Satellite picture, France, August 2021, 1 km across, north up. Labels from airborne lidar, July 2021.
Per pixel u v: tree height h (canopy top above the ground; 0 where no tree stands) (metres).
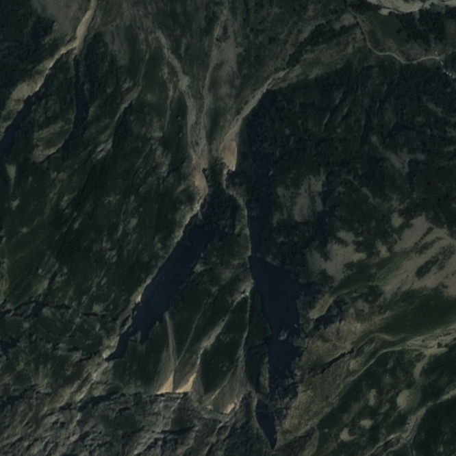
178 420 0
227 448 0
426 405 0
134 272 0
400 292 0
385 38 0
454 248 0
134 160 0
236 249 0
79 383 0
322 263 0
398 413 0
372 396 0
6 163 0
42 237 0
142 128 0
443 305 0
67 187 0
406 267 0
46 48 6
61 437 0
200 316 0
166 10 0
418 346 0
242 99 0
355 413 0
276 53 0
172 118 0
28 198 0
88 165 0
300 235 0
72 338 0
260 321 0
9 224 0
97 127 0
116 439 0
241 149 0
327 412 0
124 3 0
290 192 0
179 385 0
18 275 0
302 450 0
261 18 0
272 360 0
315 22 0
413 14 13
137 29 0
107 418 0
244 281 0
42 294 0
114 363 0
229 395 0
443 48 0
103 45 7
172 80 0
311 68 0
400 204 0
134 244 0
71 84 6
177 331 0
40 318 0
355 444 0
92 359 0
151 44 0
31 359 0
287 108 10
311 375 0
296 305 0
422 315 0
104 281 0
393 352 0
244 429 0
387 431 0
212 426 0
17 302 0
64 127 0
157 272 0
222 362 0
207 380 0
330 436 0
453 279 0
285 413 0
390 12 8
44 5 0
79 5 0
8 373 0
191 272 0
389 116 0
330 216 7
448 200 7
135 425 0
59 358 0
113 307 0
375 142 0
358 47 0
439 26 11
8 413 0
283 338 0
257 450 0
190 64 0
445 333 0
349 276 0
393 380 0
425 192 0
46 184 0
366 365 0
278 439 0
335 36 7
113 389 0
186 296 0
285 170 0
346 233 0
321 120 0
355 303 0
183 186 0
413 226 0
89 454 0
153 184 0
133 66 0
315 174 0
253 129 0
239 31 0
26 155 0
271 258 0
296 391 0
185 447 0
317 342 0
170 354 0
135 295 0
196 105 0
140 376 0
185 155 0
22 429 0
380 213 0
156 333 0
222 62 0
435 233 0
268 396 0
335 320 0
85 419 0
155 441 0
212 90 0
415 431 0
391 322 0
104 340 0
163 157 0
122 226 0
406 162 0
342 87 8
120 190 0
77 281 0
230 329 0
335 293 0
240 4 0
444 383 0
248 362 0
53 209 0
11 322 0
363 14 7
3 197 0
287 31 0
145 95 0
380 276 0
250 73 0
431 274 0
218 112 0
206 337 0
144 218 0
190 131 0
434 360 0
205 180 0
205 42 0
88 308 0
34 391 0
